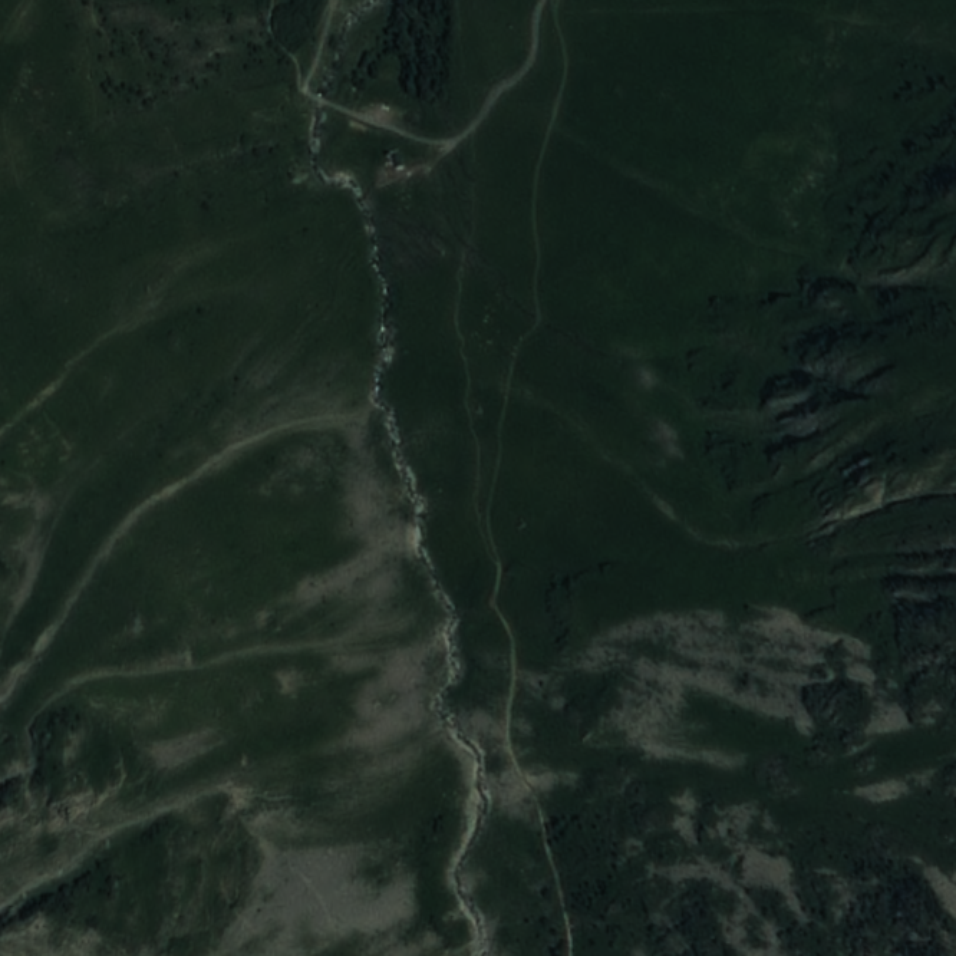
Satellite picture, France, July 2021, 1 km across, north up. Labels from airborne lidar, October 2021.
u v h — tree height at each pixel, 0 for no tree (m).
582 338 0
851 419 0
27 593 0
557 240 0
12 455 0
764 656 0
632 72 0
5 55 0
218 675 0
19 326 0
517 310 0
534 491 0
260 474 0
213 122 0
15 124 0
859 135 0
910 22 0
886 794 0
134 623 0
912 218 0
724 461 0
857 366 0
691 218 0
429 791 0
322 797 0
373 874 0
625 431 0
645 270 0
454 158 0
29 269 0
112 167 0
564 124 0
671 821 0
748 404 0
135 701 0
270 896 0
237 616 0
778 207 0
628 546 0
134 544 0
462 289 0
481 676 0
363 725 0
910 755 0
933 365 0
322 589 0
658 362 0
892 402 0
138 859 0
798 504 0
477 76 0
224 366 0
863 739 0
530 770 0
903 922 7
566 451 0
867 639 0
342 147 0
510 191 0
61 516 0
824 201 0
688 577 0
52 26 0
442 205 0
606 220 0
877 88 0
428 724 0
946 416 0
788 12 0
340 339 0
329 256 0
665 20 0
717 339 0
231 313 0
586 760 0
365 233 0
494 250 0
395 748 0
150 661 0
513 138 0
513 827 0
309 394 0
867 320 0
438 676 0
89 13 0
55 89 0
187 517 0
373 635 0
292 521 0
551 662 0
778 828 0
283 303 0
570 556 0
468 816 0
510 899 0
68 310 0
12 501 0
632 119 0
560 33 0
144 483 0
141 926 0
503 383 0
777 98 0
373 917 0
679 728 0
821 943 8
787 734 0
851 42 0
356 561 0
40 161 0
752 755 0
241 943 0
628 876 0
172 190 0
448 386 0
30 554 0
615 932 6
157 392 0
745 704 0
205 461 0
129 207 0
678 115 0
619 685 0
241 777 0
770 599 0
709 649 0
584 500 0
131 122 0
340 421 0
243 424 0
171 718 0
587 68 0
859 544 0
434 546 0
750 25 0
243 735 0
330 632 0
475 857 0
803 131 0
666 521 0
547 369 0
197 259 0
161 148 0
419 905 0
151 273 0
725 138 0
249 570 0
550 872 0
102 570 0
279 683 0
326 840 0
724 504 0
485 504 0
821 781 0
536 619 0
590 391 0
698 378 0
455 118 0
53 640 0
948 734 0
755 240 0
